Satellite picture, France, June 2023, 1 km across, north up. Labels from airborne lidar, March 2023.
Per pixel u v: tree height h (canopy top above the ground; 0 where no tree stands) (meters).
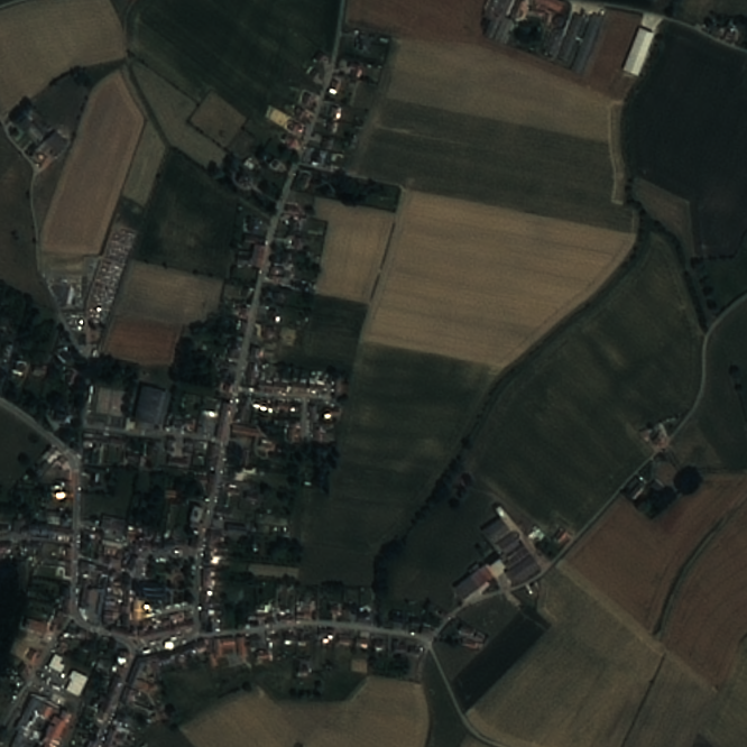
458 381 0
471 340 0
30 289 0
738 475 0
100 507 0
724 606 0
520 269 0
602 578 0
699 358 0
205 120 0
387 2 0
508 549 0
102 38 0
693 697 0
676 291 0
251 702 0
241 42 0
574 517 0
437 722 0
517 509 0
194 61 0
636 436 0
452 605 0
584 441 0
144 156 0
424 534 0
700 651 0
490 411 0
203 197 0
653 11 0
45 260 0
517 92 0
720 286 0
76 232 0
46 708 0
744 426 0
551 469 0
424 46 0
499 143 0
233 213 0
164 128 0
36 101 0
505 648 0
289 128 7
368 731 0
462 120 0
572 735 0
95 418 0
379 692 0
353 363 0
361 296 0
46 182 0
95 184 0
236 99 0
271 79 0
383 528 0
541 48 0
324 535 0
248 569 0
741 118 0
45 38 0
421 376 0
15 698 0
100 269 0
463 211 0
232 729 0
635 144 0
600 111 0
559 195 0
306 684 0
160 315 0
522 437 0
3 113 0
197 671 0
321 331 0
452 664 0
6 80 0
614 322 0
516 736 0
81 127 0
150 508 11
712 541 0
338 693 0
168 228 0
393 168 0
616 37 0
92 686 9
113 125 0
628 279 0
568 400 0
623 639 0
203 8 0
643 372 0
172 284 0
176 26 0
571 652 0
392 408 0
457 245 0
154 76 0
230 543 6
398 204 0
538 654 0
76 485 0
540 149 0
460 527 0
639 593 0
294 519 0
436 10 0
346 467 0
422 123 0
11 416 0
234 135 0
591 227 0
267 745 0
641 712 0
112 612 0
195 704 0
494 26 0
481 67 0
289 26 0
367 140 0
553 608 0
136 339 0
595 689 0
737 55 0
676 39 0
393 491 0
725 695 0
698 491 0
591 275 0
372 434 0
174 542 0
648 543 0
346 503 0
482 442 0
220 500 0
